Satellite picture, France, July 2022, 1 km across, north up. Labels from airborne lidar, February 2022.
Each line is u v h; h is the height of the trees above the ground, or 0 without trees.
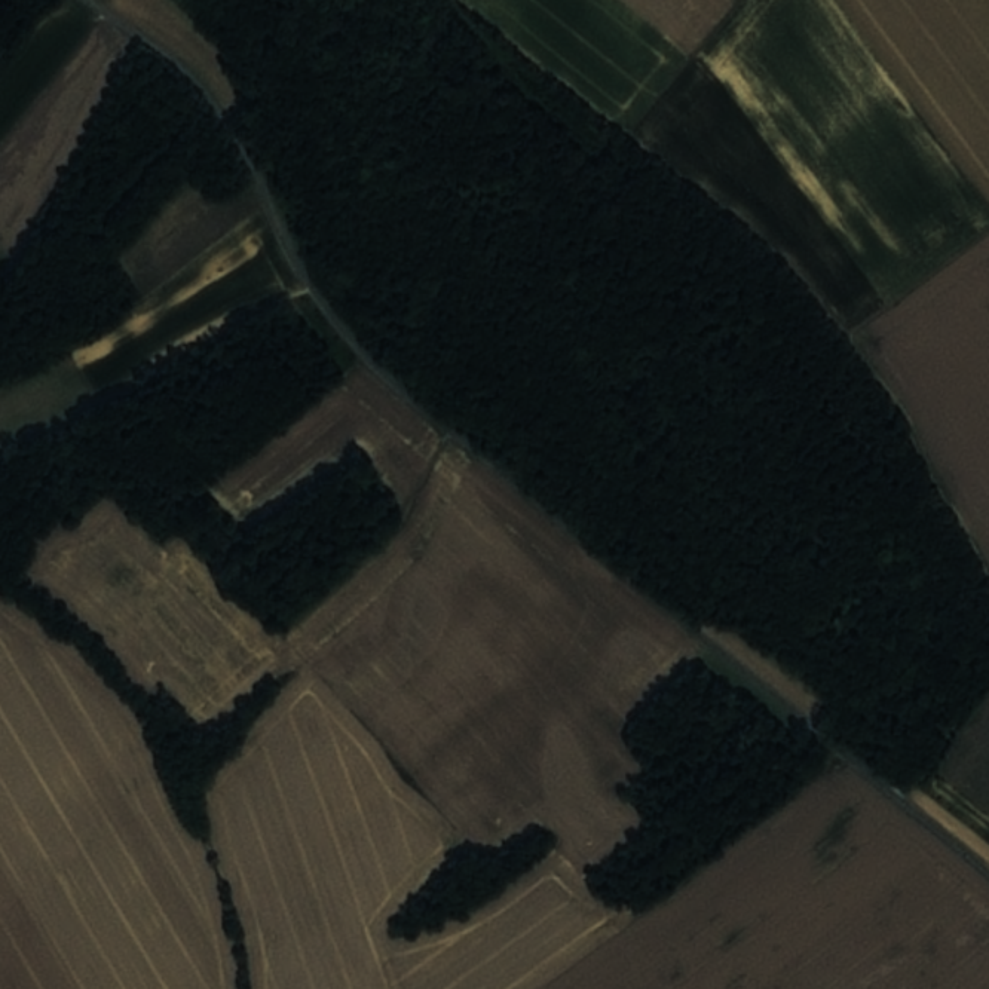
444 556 0
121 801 0
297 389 27
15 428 0
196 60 0
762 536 14
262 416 27
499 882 18
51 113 0
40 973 0
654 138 0
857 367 16
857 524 22
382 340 8
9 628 0
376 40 22
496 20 0
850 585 12
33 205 0
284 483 0
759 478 17
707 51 0
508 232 16
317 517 22
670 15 0
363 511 25
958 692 19
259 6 19
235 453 25
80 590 0
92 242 20
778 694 0
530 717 0
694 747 25
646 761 22
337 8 15
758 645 16
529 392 18
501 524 0
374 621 0
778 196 0
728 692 26
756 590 15
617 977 0
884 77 0
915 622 20
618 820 0
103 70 0
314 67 20
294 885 0
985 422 0
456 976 0
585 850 0
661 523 14
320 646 0
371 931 0
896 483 22
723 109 0
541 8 0
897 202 0
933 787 0
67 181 12
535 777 0
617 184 19
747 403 19
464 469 0
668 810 23
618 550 22
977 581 17
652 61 0
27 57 0
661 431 12
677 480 18
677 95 0
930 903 0
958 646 22
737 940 0
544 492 21
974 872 0
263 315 20
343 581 15
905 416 16
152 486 21
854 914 0
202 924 0
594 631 0
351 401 0
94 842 0
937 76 0
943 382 0
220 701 0
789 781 23
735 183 0
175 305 0
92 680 0
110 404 26
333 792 0
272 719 0
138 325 0
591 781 0
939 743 19
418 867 0
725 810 26
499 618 0
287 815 0
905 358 0
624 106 0
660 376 19
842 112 0
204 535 25
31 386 0
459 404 21
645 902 18
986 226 0
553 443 22
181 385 19
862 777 0
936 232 0
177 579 0
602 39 0
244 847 0
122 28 0
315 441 0
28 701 0
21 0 15
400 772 0
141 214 17
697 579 20
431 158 16
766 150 0
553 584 0
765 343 19
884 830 0
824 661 22
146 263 0
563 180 19
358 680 0
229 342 17
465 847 0
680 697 20
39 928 0
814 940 0
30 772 0
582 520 26
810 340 20
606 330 19
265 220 0
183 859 0
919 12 0
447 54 18
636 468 17
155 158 9
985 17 0
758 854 0
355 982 0
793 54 0
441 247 16
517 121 24
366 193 11
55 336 22
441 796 0
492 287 12
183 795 22
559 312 14
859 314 0
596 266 24
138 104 13
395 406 0
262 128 28
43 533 19
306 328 18
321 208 22
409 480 0
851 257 0
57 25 0
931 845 0
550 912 0
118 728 0
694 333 15
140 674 0
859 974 0
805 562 18
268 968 0
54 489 25
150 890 0
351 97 12
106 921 0
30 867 0
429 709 0
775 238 0
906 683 15
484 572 0
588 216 22
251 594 25
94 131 11
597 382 17
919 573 20
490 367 22
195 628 0
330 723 0
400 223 15
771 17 0
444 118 18
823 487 19
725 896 0
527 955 0
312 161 19
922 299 0
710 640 0
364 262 18
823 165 0
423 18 18
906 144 0
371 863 0
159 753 17
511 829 0
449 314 18
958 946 0
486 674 0
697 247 22
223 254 0
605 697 0
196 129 27
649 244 26
